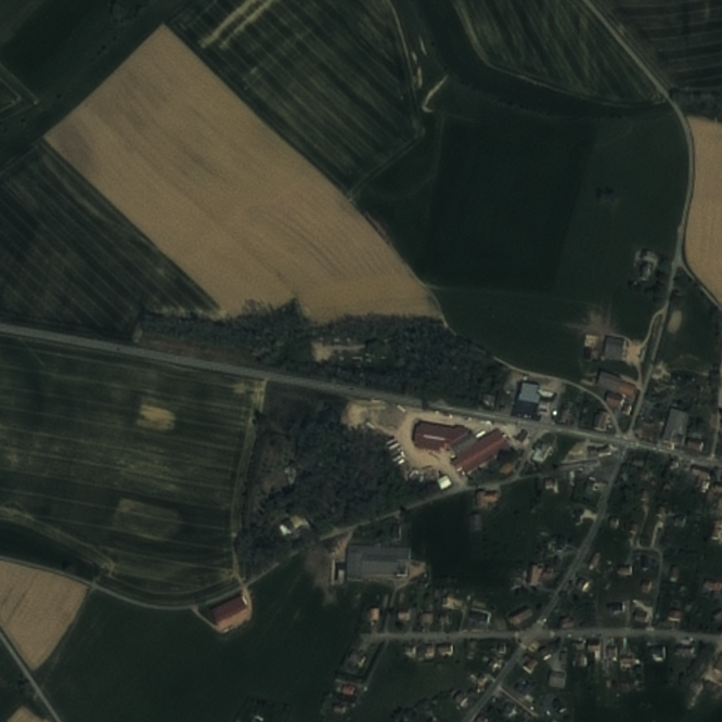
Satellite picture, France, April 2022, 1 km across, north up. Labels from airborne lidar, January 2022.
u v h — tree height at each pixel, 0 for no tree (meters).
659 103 0
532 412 0
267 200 0
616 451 0
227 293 0
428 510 0
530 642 0
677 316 0
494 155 0
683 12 0
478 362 16
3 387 0
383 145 0
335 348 0
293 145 0
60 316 0
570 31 0
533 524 0
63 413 0
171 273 0
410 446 0
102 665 0
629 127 0
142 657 0
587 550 0
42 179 0
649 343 0
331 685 0
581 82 0
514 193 0
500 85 0
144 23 0
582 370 0
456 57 0
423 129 0
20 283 0
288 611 0
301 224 0
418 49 0
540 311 0
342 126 0
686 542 0
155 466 0
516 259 0
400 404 0
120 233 0
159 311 0
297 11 0
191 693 0
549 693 0
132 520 0
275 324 29
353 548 0
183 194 0
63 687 0
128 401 0
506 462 20
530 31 0
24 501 0
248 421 0
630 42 0
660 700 0
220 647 0
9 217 0
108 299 0
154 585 0
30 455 0
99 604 0
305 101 0
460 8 0
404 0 0
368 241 0
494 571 0
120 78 0
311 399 0
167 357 0
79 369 0
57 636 0
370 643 0
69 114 0
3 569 0
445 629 0
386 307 0
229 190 0
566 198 0
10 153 0
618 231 0
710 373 0
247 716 0
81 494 0
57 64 0
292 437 8
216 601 0
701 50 0
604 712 0
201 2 0
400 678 0
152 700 0
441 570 0
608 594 0
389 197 0
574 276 0
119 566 0
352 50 0
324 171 0
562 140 0
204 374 0
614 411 0
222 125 0
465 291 0
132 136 0
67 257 0
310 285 0
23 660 0
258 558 22
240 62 0
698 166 0
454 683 0
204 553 0
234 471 0
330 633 0
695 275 0
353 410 0
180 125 0
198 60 0
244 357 17
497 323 0
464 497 0
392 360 0
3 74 0
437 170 0
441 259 0
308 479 15
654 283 0
